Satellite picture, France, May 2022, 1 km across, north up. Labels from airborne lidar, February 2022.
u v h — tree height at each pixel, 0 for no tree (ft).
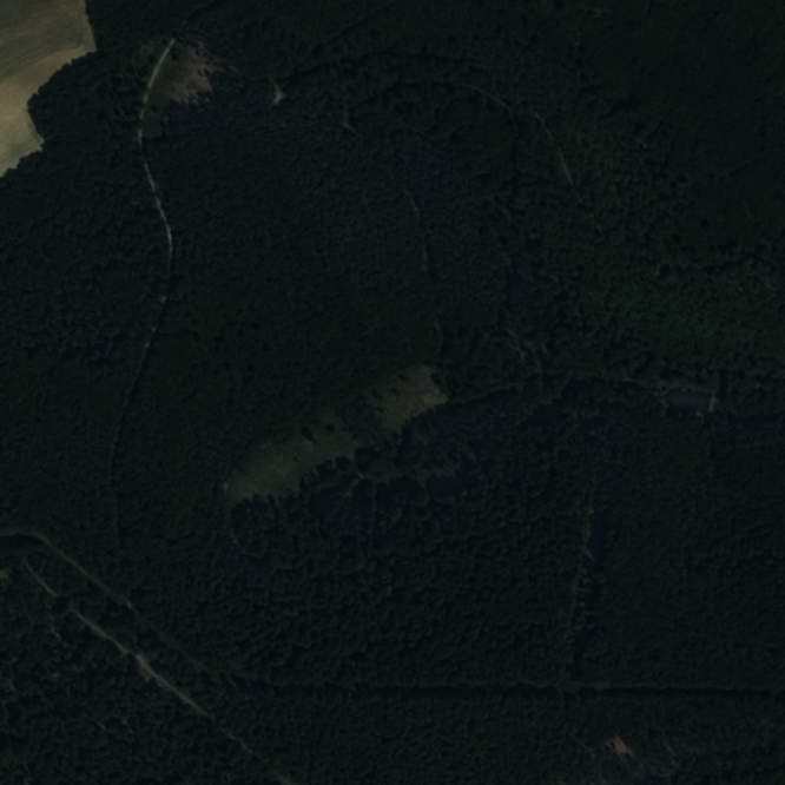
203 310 49
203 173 74
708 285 86
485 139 93
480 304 84
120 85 65
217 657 91
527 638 110
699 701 71
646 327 70
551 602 91
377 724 90
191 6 50
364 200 76
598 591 86
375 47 62
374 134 92
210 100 91
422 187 75
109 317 68
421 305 88
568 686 0
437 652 109
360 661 88
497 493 104
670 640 95
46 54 0
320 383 85
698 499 92
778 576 88
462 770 80
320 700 89
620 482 69
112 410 72
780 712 67
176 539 90
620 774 101
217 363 50
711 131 57
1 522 71
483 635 94
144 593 95
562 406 77
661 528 93
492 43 90
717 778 95
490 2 51
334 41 81
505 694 88
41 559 81
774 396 91
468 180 84
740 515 75
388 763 73
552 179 84
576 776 92
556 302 109
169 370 57
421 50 86
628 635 92
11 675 22
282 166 71
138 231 57
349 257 87
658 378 31
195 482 79
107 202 72
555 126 71
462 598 118
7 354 79
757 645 73
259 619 99
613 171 62
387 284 96
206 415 68
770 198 71
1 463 66
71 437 80
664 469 78
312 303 61
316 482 112
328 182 84
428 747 79
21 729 46
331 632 96
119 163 71
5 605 71
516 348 0
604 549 98
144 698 101
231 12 58
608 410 105
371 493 57
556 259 88
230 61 82
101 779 97
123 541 84
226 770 87
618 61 50
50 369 74
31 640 37
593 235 87
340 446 0
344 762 76
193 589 101
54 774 100
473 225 95
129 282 75
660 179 92
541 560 110
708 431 63
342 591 100
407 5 60
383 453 95
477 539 98
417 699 89
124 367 89
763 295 94
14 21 0
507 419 51
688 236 50
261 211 65
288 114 86
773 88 75
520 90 91
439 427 120
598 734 82
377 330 92
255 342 50
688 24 49
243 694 116
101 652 107
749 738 79
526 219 102
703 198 56
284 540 94
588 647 89
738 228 65
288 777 75
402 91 138
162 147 62
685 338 70
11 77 0
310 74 91
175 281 90
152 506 81
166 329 43
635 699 67
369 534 47
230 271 63
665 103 55
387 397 0
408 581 115
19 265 74
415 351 75
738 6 69
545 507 119
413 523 76
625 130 89
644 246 85
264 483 0
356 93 104
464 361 70
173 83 0
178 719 83
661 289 78
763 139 64
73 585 71
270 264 74
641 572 97
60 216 77
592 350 117
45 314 102
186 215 56
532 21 43
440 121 117
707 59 48
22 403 64
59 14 0
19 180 70
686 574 101
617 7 39
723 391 92
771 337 80
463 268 88
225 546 111
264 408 71
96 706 104
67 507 72
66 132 71
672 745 82
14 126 0
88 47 0
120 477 81
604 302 62
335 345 66
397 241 94
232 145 70
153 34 67
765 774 99
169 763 26
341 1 59
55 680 108
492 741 86
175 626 91
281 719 75
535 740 91
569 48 75
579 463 92
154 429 72
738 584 99
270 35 82
